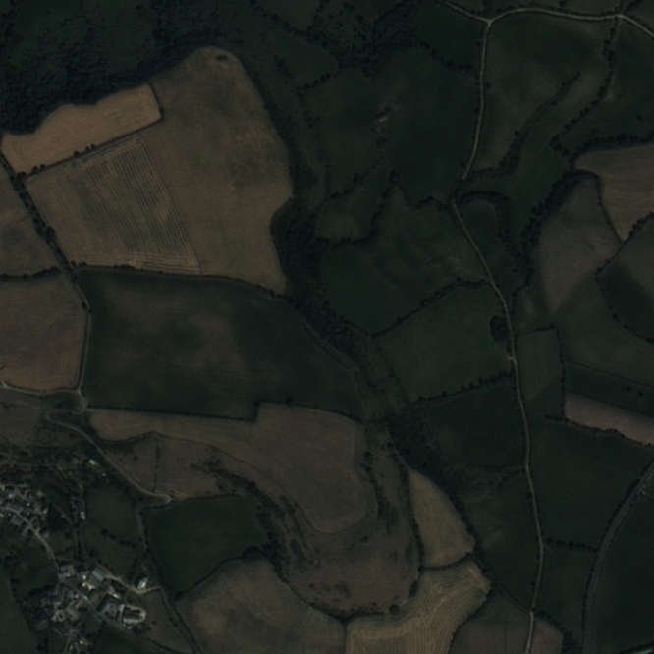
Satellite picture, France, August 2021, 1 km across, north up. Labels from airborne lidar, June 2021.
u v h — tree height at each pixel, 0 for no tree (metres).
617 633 0
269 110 7
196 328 0
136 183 0
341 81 0
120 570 0
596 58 0
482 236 0
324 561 0
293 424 0
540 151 0
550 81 0
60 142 0
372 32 10
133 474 0
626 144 14
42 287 0
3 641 0
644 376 0
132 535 0
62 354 0
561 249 0
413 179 0
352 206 0
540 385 0
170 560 0
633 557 0
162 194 0
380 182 0
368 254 0
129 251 0
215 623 0
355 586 0
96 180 0
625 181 0
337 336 9
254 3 11
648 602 0
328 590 0
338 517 0
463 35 0
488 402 0
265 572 0
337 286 0
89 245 0
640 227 8
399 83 0
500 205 8
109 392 0
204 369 0
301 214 8
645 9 0
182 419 0
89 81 8
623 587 0
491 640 0
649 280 0
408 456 17
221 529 0
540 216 19
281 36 0
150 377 0
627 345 0
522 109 0
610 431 9
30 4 0
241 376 0
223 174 0
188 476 0
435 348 0
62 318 0
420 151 0
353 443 0
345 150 0
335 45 10
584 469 0
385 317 0
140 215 0
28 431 0
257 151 0
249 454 0
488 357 0
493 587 10
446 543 0
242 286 0
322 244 19
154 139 0
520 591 0
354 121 0
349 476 0
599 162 0
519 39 0
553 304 0
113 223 0
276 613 0
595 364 0
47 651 8
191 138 0
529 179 0
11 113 8
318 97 0
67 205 0
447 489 9
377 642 0
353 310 0
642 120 12
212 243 0
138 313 0
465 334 0
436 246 0
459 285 9
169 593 8
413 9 8
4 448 6
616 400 0
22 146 0
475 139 8
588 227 0
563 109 0
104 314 0
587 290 0
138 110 0
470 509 0
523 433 7
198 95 0
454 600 0
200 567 0
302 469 0
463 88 0
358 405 0
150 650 0
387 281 0
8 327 0
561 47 0
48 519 9
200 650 0
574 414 0
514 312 6
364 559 0
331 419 0
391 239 0
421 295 0
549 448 0
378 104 0
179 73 0
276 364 0
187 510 0
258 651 0
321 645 0
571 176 12
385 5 0
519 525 0
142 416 0
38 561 0
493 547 0
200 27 0
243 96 0
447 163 0
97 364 0
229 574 0
